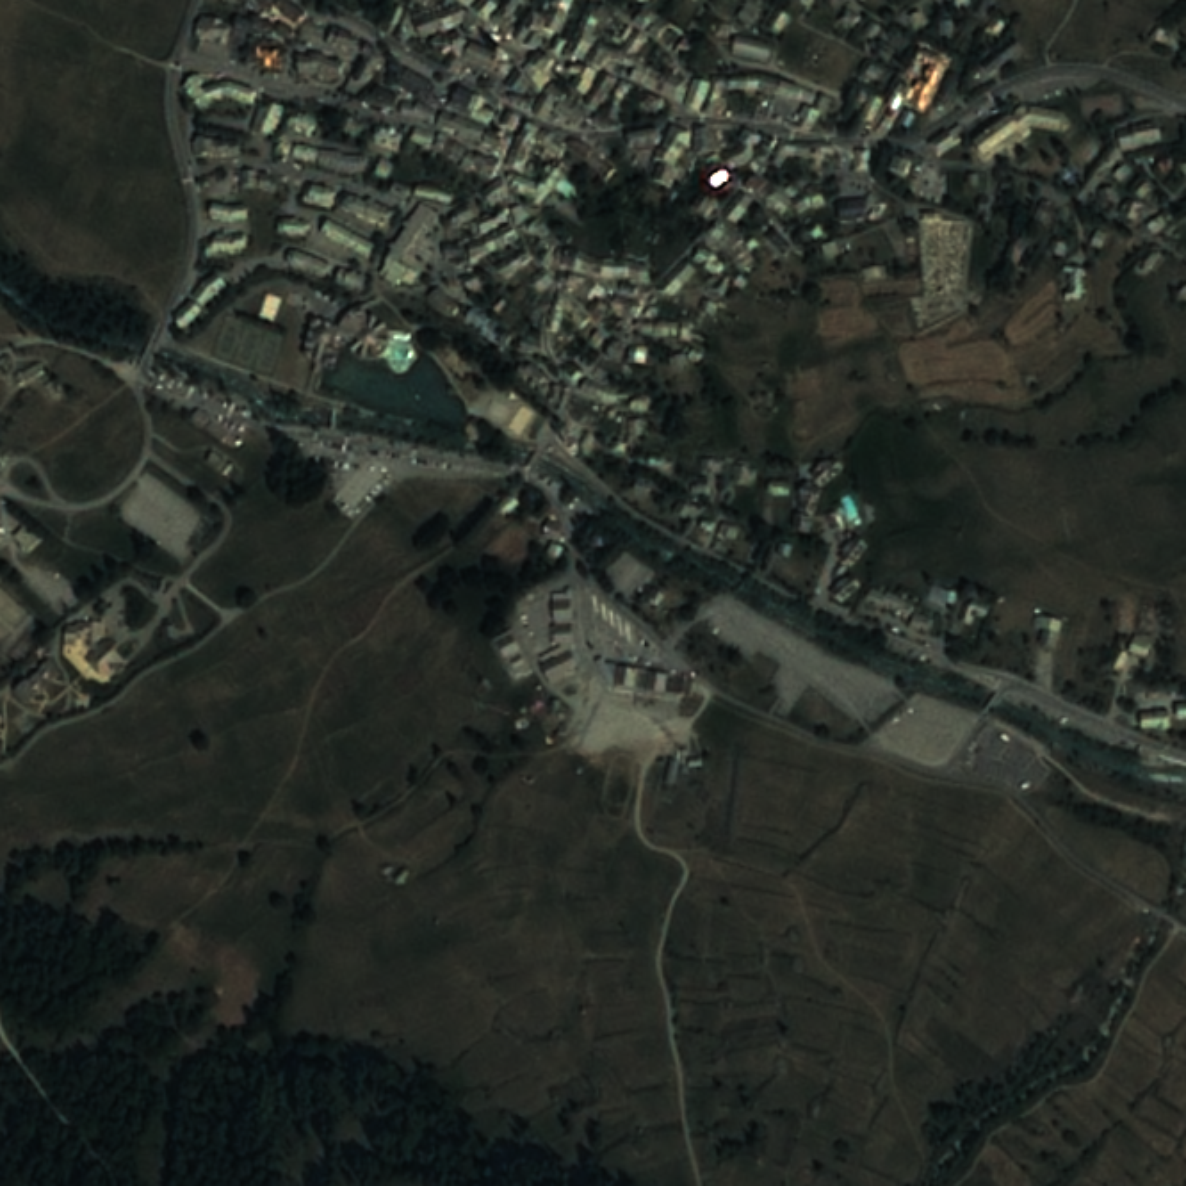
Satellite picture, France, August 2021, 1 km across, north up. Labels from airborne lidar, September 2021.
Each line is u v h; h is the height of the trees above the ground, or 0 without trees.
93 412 0
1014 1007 0
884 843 0
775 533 12
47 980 23
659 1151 0
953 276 0
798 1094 0
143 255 0
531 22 0
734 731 0
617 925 0
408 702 0
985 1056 0
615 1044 0
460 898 0
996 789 0
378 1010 0
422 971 0
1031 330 0
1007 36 8
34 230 0
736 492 0
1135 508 0
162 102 0
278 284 0
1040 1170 0
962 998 0
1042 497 0
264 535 0
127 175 0
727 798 0
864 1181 0
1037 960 0
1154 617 0
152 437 0
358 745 0
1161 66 0
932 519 0
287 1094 7
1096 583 0
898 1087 0
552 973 0
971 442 10
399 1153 10
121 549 0
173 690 0
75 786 0
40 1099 9
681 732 0
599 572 11
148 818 0
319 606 0
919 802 0
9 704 0
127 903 0
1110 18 0
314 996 0
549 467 0
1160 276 0
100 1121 21
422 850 0
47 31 0
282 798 0
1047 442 0
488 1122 0
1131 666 0
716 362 0
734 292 9
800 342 0
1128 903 0
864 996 0
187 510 0
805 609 12
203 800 0
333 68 0
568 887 0
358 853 0
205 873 0
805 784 0
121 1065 30
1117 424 0
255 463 0
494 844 0
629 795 0
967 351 0
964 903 0
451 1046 0
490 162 0
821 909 0
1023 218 17
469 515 0
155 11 0
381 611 0
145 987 0
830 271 6
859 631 7
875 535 0
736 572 7
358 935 0
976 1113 8
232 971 0
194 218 0
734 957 0
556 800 0
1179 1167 0
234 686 0
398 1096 20
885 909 0
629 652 0
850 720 0
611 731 0
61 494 0
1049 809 0
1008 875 0
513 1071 0
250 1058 8
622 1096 0
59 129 0
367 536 0
